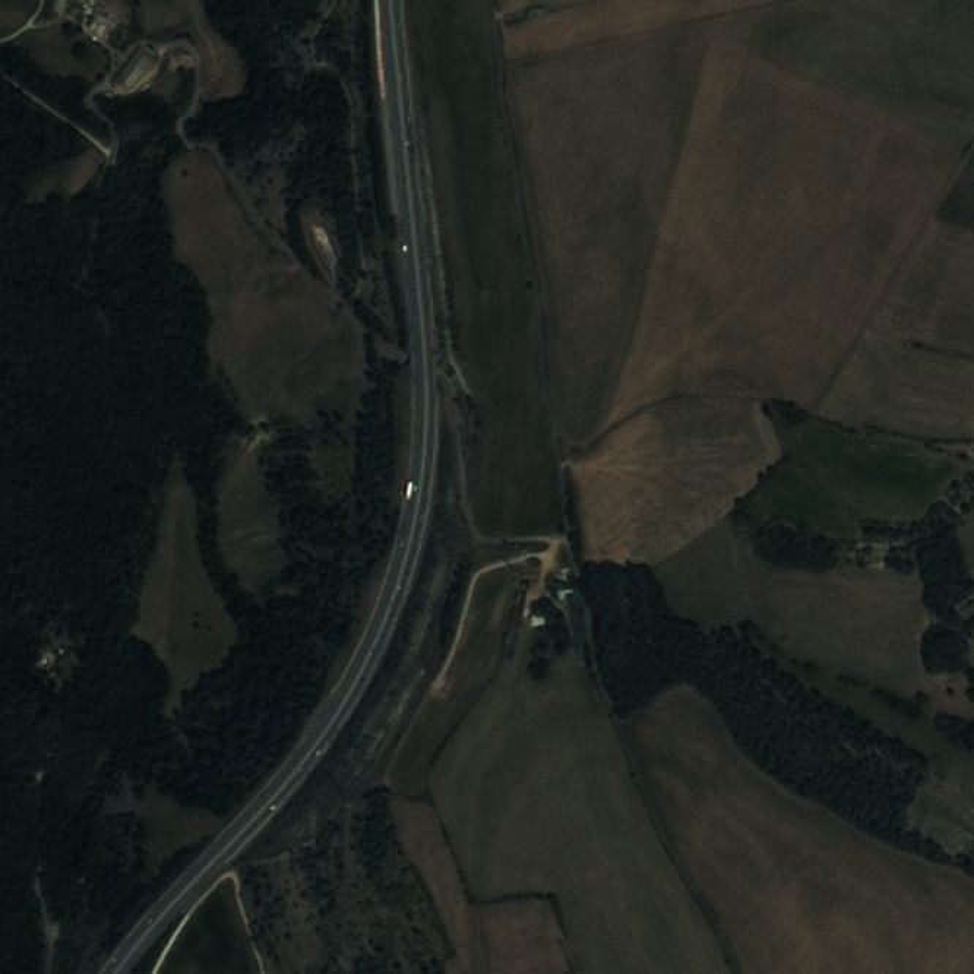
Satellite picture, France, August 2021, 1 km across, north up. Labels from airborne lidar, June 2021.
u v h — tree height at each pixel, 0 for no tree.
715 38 0
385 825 10
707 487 0
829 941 0
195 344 9
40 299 14
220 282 0
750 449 0
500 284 0
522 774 0
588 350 0
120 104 10
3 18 0
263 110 10
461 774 0
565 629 19
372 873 7
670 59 0
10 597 17
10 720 19
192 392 16
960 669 19
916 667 0
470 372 0
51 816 21
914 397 0
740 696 12
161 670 23
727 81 0
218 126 22
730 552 0
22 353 10
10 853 18
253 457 0
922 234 0
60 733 13
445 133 0
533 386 0
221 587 11
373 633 0
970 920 0
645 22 0
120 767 7
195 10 0
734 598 0
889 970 0
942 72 0
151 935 0
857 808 11
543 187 0
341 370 0
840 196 0
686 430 0
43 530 17
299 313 0
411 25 0
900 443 0
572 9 0
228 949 0
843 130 0
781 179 0
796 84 0
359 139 0
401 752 0
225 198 0
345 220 16
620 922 0
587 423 0
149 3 0
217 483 12
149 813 0
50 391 15
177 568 0
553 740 0
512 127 0
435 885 0
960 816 0
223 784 18
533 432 0
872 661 0
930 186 0
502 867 0
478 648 0
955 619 21
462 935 0
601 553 0
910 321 0
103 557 24
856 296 0
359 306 10
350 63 9
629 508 0
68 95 7
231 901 0
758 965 0
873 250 0
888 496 0
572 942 0
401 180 0
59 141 12
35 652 8
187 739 15
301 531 18
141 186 9
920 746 0
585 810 0
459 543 0
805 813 0
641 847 0
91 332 17
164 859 0
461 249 0
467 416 0
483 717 0
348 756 0
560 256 0
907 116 0
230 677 17
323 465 0
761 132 0
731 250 0
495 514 0
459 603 8
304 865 7
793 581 0
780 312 0
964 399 0
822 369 0
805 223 0
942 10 0
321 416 8
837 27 0
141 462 18
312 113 11
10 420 11
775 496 0
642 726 0
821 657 0
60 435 18
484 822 0
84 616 19
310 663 10
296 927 0
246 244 0
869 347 0
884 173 0
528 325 0
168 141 9
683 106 0
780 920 0
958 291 0
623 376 0
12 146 14
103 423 14
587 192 0
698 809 0
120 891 11
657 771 0
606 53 0
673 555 0
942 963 0
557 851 0
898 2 0
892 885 0
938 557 19
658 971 0
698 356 0
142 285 21
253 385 0
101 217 8
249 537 0
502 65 0
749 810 0
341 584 6
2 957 8
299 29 9
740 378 0
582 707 0
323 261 0
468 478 0
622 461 0
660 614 16
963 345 0
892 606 0
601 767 0
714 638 10
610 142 0
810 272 0
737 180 0
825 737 10
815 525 0
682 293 0
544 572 0
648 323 0
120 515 22
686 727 0
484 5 0
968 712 0
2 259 20
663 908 0
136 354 19
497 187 0
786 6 0
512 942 0
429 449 0
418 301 0
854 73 0
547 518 0
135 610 22
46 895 10
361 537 13
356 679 0
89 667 15
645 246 0
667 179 0
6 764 22
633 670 24
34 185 0
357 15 7
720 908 0
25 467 11
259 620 17
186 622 0
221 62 0
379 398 11
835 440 0
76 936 0
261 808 0
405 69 0
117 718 17
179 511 0
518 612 0
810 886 0
